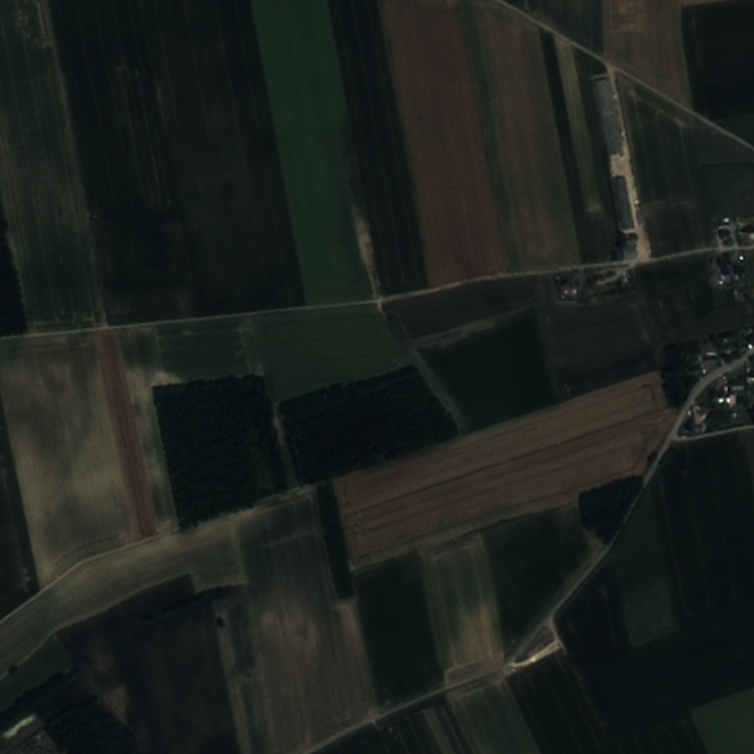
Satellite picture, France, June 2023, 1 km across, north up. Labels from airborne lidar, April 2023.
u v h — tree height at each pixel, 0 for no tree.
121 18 0
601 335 0
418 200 0
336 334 0
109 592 0
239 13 0
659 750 0
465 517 0
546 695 0
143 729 0
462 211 0
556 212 0
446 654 0
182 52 0
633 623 0
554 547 0
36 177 0
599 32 0
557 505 0
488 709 0
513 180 0
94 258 0
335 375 0
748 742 0
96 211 0
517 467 0
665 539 0
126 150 0
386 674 0
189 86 0
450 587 0
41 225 0
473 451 0
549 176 0
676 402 13
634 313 0
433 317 0
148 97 0
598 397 0
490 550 0
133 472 0
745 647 0
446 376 0
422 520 0
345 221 0
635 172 0
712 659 0
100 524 0
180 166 0
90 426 0
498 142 0
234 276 0
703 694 0
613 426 0
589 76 0
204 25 0
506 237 0
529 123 0
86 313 0
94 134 0
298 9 0
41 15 0
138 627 0
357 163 0
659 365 0
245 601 0
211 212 0
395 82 0
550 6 0
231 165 0
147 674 0
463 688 0
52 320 0
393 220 0
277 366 0
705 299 0
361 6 0
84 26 0
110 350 0
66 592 0
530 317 0
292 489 0
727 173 0
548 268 0
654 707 0
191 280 0
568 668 0
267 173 0
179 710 0
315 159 0
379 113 0
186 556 0
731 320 0
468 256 0
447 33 0
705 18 0
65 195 0
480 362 0
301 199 0
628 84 0
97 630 0
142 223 0
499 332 0
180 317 0
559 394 0
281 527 0
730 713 0
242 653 0
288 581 0
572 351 0
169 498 0
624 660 0
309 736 0
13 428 0
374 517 0
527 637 0
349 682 0
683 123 0
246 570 0
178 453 12
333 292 0
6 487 0
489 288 0
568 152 0
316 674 0
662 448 0
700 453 0
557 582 0
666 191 0
